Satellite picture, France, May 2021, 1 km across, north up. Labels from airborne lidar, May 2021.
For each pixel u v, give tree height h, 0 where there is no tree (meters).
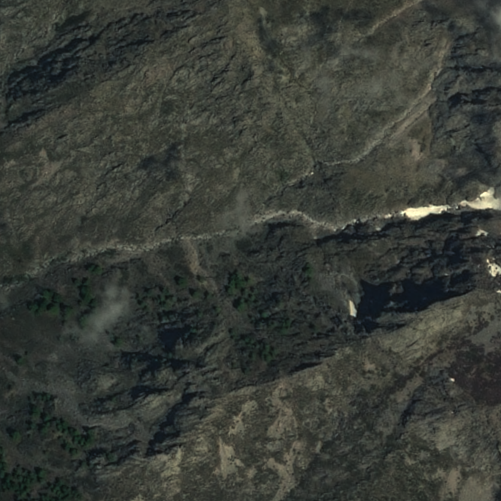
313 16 0
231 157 0
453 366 0
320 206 0
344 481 0
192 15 0
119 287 0
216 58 0
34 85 0
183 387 0
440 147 0
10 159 0
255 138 0
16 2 0
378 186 0
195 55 0
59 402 0
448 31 0
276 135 0
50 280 0
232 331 14
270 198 0
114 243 0
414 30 0
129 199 0
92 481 0
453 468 0
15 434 19
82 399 0
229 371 0
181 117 0
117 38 0
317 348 0
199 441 0
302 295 0
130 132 0
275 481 0
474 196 0
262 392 0
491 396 0
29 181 0
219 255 0
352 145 0
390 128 0
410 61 0
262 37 0
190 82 0
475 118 0
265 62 0
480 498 0
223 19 0
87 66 0
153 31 0
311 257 0
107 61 0
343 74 0
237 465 0
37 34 0
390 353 0
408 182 0
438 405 0
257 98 0
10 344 0
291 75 0
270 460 0
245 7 0
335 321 0
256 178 0
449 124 0
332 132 0
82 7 0
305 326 0
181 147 0
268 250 0
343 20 0
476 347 0
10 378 0
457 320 0
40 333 0
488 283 0
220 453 0
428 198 0
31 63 0
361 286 0
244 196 0
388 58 0
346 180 0
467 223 0
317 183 0
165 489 0
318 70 0
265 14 0
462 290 0
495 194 0
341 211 0
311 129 0
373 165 0
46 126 0
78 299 0
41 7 0
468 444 0
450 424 0
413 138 0
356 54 0
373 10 0
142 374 0
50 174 0
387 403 0
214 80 0
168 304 12
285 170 0
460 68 0
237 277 16
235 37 0
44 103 0
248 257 0
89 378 0
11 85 0
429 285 0
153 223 0
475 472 0
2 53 0
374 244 0
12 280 12
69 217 0
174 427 0
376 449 0
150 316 0
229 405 0
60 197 0
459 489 0
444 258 0
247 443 0
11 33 0
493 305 0
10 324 0
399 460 0
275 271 0
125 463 0
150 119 0
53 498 12
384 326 0
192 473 0
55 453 0
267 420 0
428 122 0
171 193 0
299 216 0
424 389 0
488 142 0
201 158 0
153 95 0
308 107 0
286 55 0
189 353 0
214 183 0
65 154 0
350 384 0
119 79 0
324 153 0
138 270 0
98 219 0
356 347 0
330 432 0
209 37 0
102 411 0
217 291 0
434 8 0
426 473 0
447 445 0
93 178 0
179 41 0
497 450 0
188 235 0
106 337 0
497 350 0
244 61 0
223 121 0
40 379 0
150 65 0
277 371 0
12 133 0
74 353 0
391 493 0
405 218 0
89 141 0
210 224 0
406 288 0
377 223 0
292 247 0
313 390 0
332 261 0
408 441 0
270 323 9
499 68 0
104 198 0
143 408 0
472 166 0
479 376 0
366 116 0
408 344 0
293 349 0
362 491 0
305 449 0
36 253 0
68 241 0
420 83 0
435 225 0
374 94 0
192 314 0
